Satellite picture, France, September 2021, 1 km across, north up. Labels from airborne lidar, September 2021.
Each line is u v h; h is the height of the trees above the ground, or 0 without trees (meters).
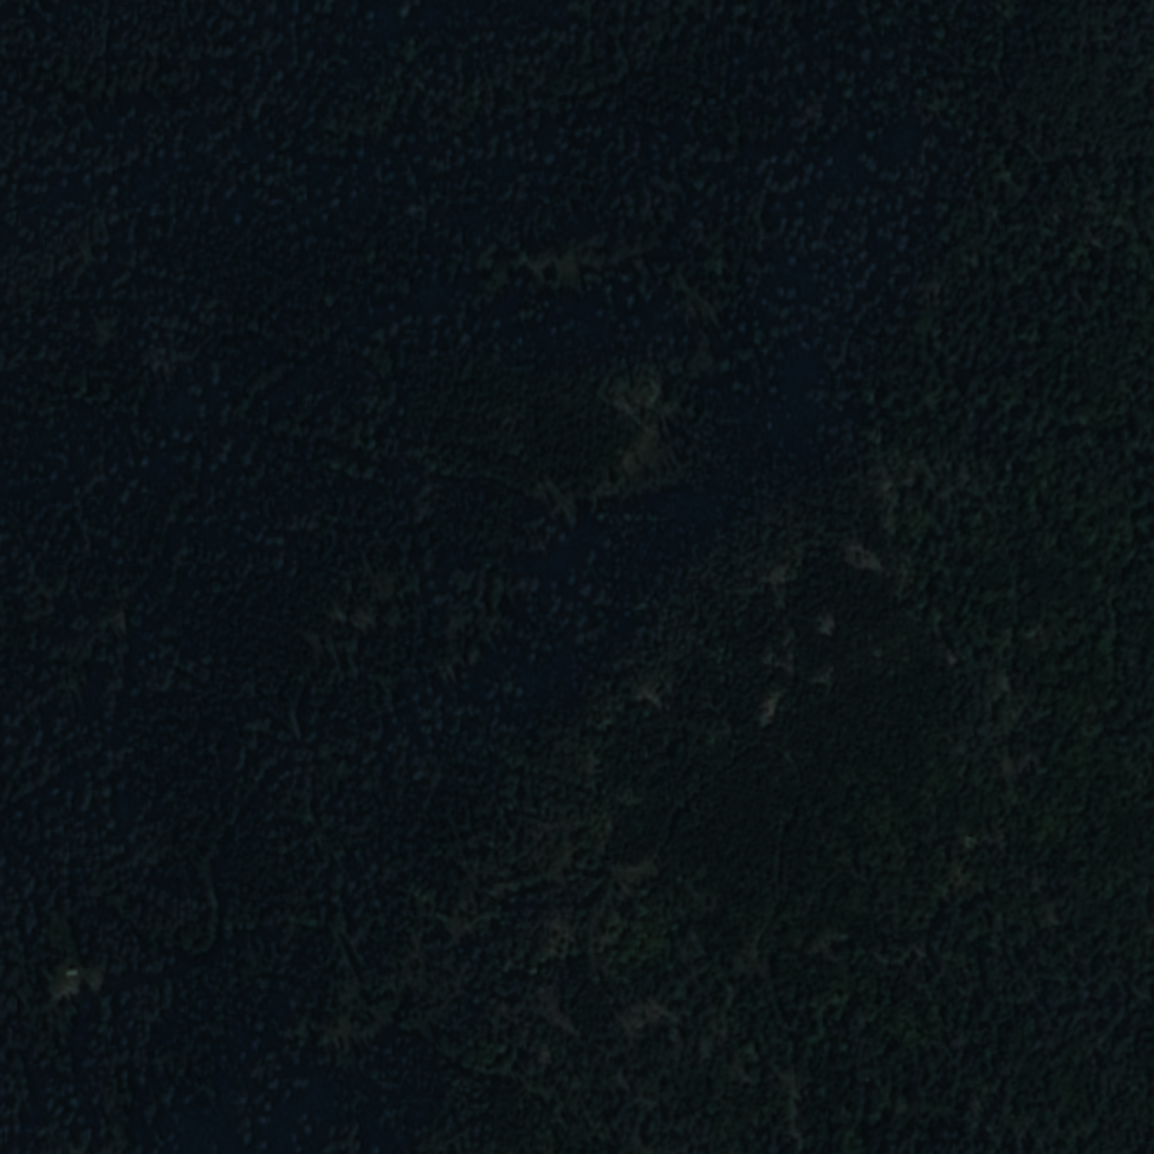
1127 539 11
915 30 15
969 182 14
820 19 19
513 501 12
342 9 16
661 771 7
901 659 8
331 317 10
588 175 20
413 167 22
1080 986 21
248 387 15
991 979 27
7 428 22
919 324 19
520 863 10
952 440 12
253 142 16
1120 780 11
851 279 8
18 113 30
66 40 30
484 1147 6
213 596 19
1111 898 17
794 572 8
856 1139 11
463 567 11
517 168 12
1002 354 17
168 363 25
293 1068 11
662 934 16
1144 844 20
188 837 13
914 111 10
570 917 7
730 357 12
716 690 11
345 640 9
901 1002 13
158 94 18
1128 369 22
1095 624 12
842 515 11
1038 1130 8
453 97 19
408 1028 7
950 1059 8
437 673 10
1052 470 13
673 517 11
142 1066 26
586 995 11
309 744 27
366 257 18
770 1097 16
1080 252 23
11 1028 17
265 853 16
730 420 15
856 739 9
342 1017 9
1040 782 18
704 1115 12
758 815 11
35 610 27
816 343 26
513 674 8
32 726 9
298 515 13
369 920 12
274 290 21
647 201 11
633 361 12
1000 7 9
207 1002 14
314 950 10
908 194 30
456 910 8
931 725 8
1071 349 20
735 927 8
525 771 10
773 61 12
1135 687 25
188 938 21
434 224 10
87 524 12
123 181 25
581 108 16
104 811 15
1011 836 10
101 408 10
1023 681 13
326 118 15
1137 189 12
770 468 11
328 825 30
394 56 17
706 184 21
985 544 13
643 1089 28
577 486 20
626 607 13
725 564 11
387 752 31
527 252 13
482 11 14
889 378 9
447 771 15
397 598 8
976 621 20
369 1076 8
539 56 15
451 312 18
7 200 18
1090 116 18
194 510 8
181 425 14
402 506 11
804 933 15
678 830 13
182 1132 8
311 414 17
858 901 18
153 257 17
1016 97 19
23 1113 7
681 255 20
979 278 17
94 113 10
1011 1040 17
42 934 20
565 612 34
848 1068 20
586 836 9
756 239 23
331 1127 21
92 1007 10
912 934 21
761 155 0
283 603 12
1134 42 30
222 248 16
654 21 24
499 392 16
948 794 8
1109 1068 26
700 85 15
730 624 9
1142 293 26
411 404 20
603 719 7
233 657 13
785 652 8
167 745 16
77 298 19
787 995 13
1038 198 15
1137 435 28
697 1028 24
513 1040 12
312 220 16
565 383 15
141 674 20
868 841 13
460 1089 10
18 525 16
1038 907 19
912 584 8
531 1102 8
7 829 12
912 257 18
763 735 10
